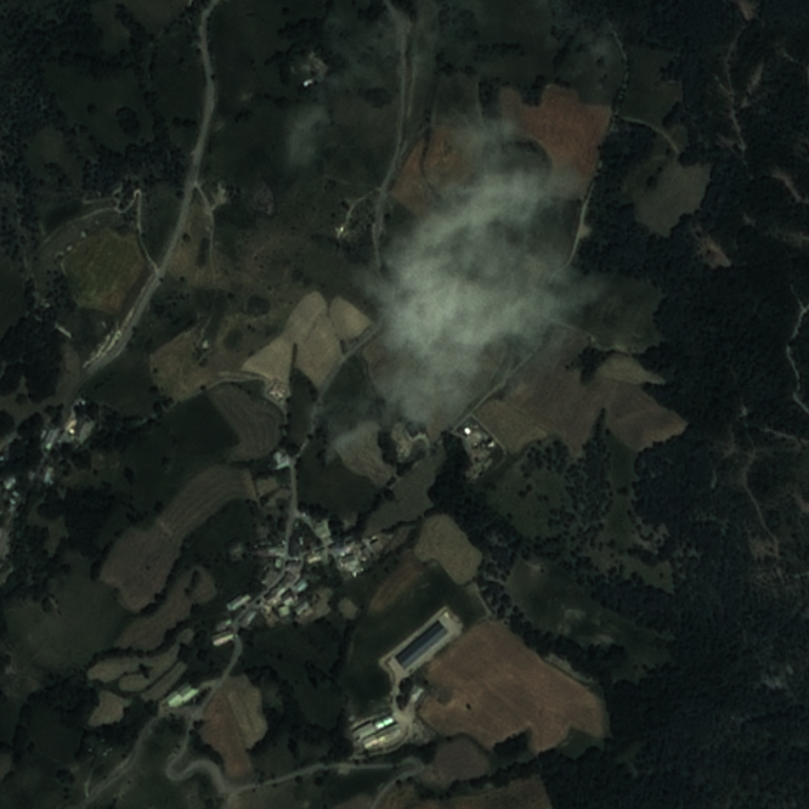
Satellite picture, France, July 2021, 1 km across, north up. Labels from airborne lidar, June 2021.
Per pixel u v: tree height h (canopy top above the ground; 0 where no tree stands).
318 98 10
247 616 0
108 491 7
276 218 0
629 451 0
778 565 16
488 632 0
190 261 0
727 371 12
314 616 0
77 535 14
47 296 6
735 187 15
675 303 15
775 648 7
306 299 0
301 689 0
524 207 0
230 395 0
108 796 0
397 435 0
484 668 0
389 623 0
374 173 0
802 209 15
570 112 0
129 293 0
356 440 0
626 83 6
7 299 0
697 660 15
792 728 20
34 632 0
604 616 0
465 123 0
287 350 0
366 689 0
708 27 18
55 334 14
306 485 0
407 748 9
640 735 17
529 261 0
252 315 0
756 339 18
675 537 15
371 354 0
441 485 18
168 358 0
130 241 0
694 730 17
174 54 0
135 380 0
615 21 17
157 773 0
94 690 11
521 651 0
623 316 0
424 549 0
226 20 0
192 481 0
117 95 0
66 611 0
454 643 0
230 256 0
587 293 0
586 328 0
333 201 0
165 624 0
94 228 0
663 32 12
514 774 14
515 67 0
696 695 14
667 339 10
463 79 0
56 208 0
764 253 14
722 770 13
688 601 17
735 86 7
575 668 13
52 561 12
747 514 6
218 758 10
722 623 20
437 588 0
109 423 12
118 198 7
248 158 0
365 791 0
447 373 0
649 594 18
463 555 0
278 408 0
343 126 0
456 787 9
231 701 0
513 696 0
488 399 0
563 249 0
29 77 11
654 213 0
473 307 0
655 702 17
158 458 0
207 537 0
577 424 0
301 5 0
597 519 9
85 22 18
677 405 14
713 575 14
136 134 11
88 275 0
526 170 0
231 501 0
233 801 0
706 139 8
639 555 13
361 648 0
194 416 0
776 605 21
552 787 15
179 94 0
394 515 0
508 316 0
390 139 0
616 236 12
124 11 15
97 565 12
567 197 0
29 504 7
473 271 0
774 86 8
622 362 0
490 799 0
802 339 8
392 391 0
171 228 0
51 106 12
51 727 0
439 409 0
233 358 0
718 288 9
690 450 11
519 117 0
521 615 10
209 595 0
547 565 0
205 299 0
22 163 11
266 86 0
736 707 20
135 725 6
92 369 0
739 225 13
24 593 12
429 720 0
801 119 21
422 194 0
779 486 12
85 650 0
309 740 13
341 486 0
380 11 15
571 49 8
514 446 0
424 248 0
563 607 0
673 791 18
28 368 14
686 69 15
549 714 0
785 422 13
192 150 0
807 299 8
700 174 0
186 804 0
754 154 12
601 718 0
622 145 14
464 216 0
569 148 0
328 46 9
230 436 0
